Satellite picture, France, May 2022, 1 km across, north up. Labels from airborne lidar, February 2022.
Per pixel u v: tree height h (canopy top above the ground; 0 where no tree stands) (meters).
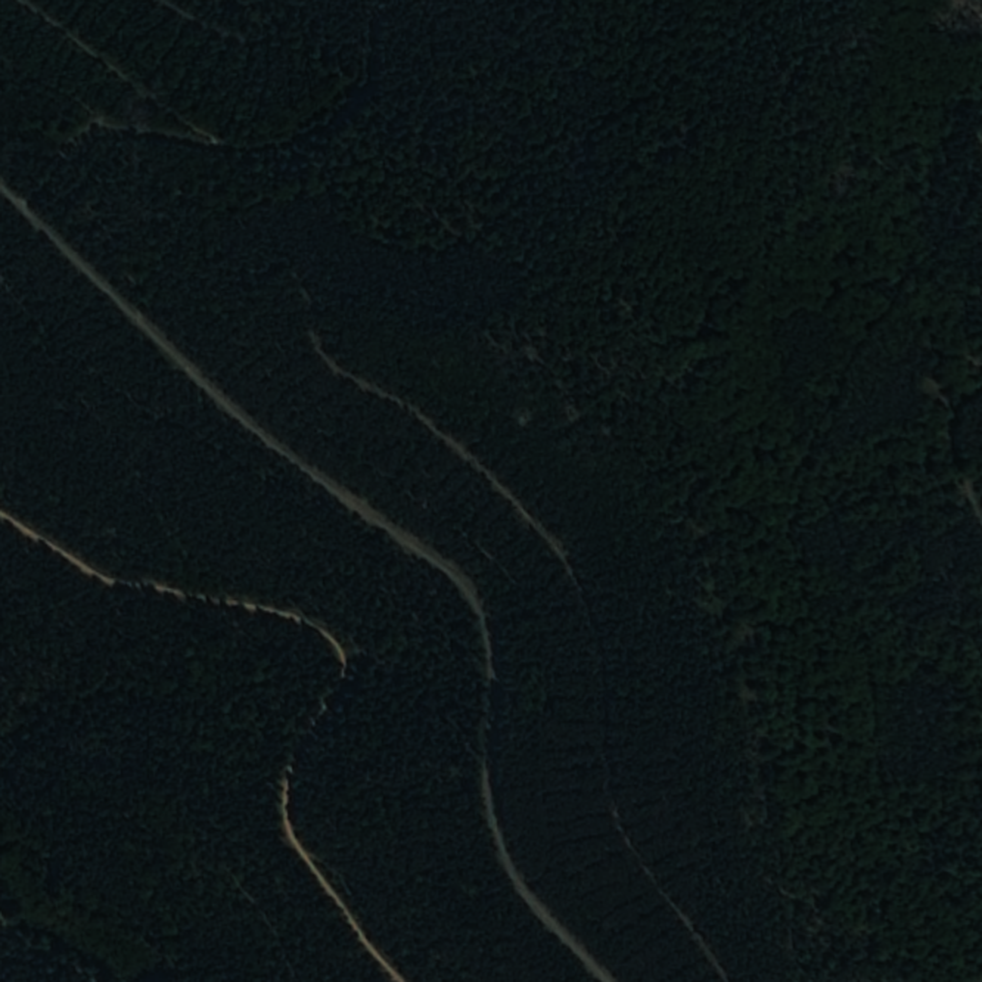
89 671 28
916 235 22
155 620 23
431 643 25
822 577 28
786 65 24
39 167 25
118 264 21
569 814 22
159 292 20
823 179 16
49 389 21
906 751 21
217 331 21
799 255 24
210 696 29
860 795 27
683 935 23
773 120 23
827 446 19
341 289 19
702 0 29
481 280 17
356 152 31
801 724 34
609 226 21
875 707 18
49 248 23
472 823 23
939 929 25
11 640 25
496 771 23
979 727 23
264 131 12
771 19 24
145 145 16
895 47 23
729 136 22
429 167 30
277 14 20
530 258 19
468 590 0
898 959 24
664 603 21
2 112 14
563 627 24
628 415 16
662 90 27
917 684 20
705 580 17
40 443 22
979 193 22
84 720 29
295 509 22
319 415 20
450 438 17
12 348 22
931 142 23
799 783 32
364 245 18
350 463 20
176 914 27
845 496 23
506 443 17
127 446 21
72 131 17
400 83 24
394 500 20
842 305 20
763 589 27
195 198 14
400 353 15
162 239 19
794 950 25
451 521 19
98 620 23
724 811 17
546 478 16
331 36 22
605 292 21
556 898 21
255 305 21
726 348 17
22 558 22
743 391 22
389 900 22
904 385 21
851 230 19
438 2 22
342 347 15
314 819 23
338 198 25
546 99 23
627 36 29
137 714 24
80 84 12
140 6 14
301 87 19
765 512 27
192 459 24
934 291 28
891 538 18
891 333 21
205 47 19
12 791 31
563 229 26
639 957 21
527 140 27
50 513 20
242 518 24
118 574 17
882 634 24
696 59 26
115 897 29
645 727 20
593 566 19
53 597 25
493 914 26
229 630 26
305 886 23
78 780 18
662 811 23
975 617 28
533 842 23
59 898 27
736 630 12
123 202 19
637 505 13
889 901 24
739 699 17
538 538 17
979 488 8
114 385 20
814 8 18
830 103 19
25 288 18
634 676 22
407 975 20
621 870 18
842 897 25
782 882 26
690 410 20
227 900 17
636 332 24
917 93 26
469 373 16
